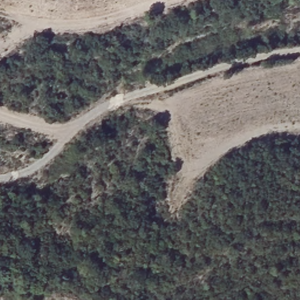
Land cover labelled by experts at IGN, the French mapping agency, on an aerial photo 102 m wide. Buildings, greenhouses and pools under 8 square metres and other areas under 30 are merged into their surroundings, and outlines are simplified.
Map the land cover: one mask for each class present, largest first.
<instances>
[{"label":"brushwood","instance_id":"1","mask_svg":"<svg viewBox=\"0 0 300 300\"><path fill-rule=\"evenodd\" d=\"M267 30L268 42H265L264 46L267 52L300 46V0H288V6L281 12L280 19L267 20L252 26V30ZM300 54V53L272 55L268 59L252 63L236 62L230 69L217 71L164 91L173 96L179 91L190 89L216 77L230 79L232 75L240 73L245 68L284 66L299 59ZM142 103H128L108 111L101 124H94L93 127L77 132L70 142L64 144L60 154L43 166V169L13 182L0 183V300H300V135L287 131L271 132L250 139L243 146L232 148L206 170L203 177L196 178L193 191L186 196L187 202L180 209L170 212L166 199V182L169 175H175L177 172L176 161H172L171 157L168 128H163L154 120L157 111L138 109V105ZM53 142L40 132L14 127L12 124L0 125V175L27 168L37 158L47 154Z\"/></svg>","mask_w":300,"mask_h":300},{"label":"deciduous trees","instance_id":"2","mask_svg":"<svg viewBox=\"0 0 300 300\"><path fill-rule=\"evenodd\" d=\"M288 6V0H197L187 6L170 9L163 19L156 16L154 20L148 21L146 27L137 23H121L109 32L100 34L62 33L55 34L53 40L36 37L34 34L25 42L19 43L11 54L0 60V107L40 116L47 123H66L79 116L81 110L88 112L95 108L97 101L107 102L118 94L143 89L148 81L156 86H164L193 71L209 69L214 64L227 63L232 59H248L267 52L264 46L265 42H268L267 30H252V26L267 20L280 19L281 12Z\"/></svg>","mask_w":300,"mask_h":300},{"label":"vineyard","instance_id":"3","mask_svg":"<svg viewBox=\"0 0 300 300\"><path fill-rule=\"evenodd\" d=\"M197 0H0V32L9 30L8 35L19 43L25 42L34 34L36 37L53 40L55 34L62 33L100 34L109 32L121 23H137L146 27L148 21L154 20L156 16L163 19L170 9L187 6ZM142 103L138 105V109L157 111L154 120L163 128H168L171 157L172 161H176L177 172L175 175H169L166 182V199L170 212L180 209L187 202L186 196L193 191L196 178L203 177L206 170L232 148L243 146L250 139L271 132L287 131L300 135V54L299 59L284 66L245 68L240 73L232 75L230 79L216 77L190 89L179 91L173 96L164 91L137 97L128 103Z\"/></svg>","mask_w":300,"mask_h":300},{"label":"pervious surface","instance_id":"4","mask_svg":"<svg viewBox=\"0 0 300 300\"><path fill-rule=\"evenodd\" d=\"M9 30L0 32V60L11 54L19 43L8 35ZM300 53V46L267 52L248 59H232L227 63L214 64L209 69L193 71L164 86H156L148 81L143 89L118 94L107 102L97 101L95 108L88 112L81 110L79 116L66 123H47L40 116L0 107V125L12 124L14 127L40 132L53 142L47 154L37 158L27 168L0 175V183L13 182L43 169V166L60 154L64 144L70 142L77 132L93 127L94 124H101L108 111L128 103L137 97L164 91L217 71L230 69L236 62L252 63L268 59L272 55Z\"/></svg>","mask_w":300,"mask_h":300}]
</instances>
